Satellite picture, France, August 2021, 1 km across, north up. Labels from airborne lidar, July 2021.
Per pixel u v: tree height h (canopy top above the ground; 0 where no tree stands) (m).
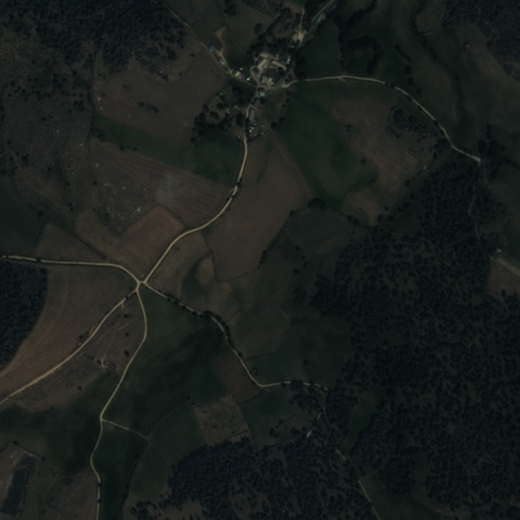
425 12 0
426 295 11
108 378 0
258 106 0
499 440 15
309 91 0
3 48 0
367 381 12
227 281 0
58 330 0
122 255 0
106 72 0
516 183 0
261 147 0
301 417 0
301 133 0
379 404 0
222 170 0
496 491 17
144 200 0
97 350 0
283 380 0
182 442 0
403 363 14
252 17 0
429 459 11
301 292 11
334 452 11
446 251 10
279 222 0
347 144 0
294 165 0
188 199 0
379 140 0
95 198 0
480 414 17
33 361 0
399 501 0
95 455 0
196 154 0
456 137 0
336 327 0
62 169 0
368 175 0
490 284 0
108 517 0
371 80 0
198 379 0
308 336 0
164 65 0
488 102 0
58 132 0
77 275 0
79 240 0
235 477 11
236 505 6
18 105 0
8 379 0
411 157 0
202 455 16
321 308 14
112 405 0
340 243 0
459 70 0
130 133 0
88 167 0
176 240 0
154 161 0
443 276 13
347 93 0
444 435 11
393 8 0
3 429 0
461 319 12
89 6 8
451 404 15
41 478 0
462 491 12
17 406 0
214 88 0
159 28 7
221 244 0
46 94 5
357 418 0
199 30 0
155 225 0
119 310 0
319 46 0
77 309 0
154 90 0
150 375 0
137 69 0
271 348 0
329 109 0
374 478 0
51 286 0
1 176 0
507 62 0
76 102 8
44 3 8
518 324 13
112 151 0
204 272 0
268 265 0
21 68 0
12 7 9
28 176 0
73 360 0
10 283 26
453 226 7
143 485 0
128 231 0
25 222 0
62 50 6
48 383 0
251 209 0
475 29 0
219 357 0
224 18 0
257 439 0
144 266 0
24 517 0
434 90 0
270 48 14
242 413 0
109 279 0
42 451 0
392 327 6
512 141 0
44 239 0
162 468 0
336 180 0
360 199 0
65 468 0
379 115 0
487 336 13
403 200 0
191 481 21
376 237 11
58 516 0
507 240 0
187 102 0
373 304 13
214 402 0
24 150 0
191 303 0
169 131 0
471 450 14
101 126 0
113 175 0
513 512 16
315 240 0
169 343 0
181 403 0
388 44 0
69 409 0
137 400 0
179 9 0
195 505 0
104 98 0
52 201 0
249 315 0
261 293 0
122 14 8
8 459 0
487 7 5
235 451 14
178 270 0
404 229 0
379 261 11
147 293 0
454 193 11
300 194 0
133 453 0
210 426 0
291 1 0
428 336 12
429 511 0
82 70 0
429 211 11
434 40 0
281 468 12
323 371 0
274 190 0
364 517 13
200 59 0
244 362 0
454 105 0
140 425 0
